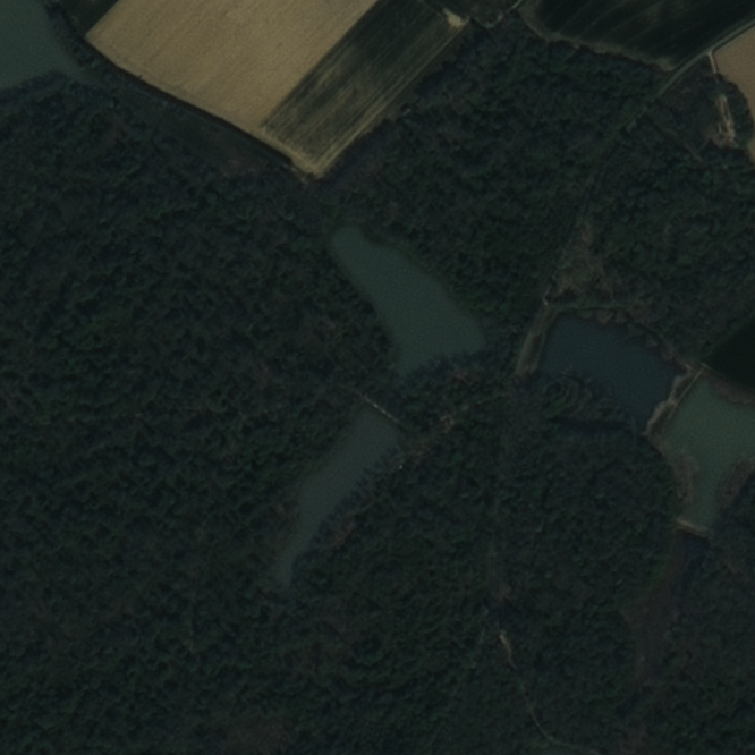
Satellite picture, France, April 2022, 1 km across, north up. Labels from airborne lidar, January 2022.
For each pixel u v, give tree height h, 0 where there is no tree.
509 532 18
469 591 9
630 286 26
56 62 0
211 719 31
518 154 32
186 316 10
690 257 26
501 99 28
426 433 23
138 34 0
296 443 18
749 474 0
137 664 23
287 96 0
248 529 20
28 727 16
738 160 17
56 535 27
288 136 0
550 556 24
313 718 21
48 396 29
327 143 0
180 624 27
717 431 0
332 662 34
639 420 0
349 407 26
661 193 23
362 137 0
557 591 27
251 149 0
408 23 0
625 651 22
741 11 0
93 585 22
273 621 7
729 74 0
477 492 27
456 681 23
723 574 27
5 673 29
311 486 0
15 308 28
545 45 11
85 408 29
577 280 29
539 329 22
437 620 12
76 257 28
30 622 23
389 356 26
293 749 21
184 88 0
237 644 27
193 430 31
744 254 22
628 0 0
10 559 26
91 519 20
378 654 28
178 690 19
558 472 27
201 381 27
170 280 27
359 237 0
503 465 26
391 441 0
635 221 26
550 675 25
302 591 21
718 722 11
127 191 15
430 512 26
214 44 0
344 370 33
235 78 0
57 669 27
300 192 27
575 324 0
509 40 27
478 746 21
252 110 0
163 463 27
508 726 24
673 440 0
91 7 0
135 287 25
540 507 26
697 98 0
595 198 23
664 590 0
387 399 20
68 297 21
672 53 0
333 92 0
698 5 0
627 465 28
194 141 0
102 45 0
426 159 28
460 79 32
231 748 25
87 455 23
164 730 28
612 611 13
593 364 0
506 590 20
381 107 0
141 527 22
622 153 15
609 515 30
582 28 0
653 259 29
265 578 11
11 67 0
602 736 24
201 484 25
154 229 29
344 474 0
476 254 18
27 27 0
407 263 0
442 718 16
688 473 0
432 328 0
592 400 0
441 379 31
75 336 28
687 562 0
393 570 10
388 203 30
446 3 0
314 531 0
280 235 32
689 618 21
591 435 24
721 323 25
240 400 30
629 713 24
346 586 6
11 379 22
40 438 21
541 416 29
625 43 0
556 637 26
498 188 24
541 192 23
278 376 28
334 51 0
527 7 0
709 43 0
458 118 30
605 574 23
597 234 0
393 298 0
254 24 0
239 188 22
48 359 31
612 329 0
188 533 25
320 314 33
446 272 22
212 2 0
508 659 23
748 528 24
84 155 29
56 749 26
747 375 0
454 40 0
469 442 19
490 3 0
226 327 30
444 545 30
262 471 20
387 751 22
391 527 21
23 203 23
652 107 21
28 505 26
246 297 7
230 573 25
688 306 29
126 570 26
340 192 29
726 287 28
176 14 0
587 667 28
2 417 14
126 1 0
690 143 0
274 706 19
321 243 21
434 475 28
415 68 0
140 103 0
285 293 13
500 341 7
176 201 31
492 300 21
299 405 26
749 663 34
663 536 22
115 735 28
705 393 0
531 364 0
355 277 0
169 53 0
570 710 25
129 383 20
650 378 0
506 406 16
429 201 23
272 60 0
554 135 32
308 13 0
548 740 22
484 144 33
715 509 0
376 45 0
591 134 30
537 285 14
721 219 29
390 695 29
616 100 20
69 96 22
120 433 22
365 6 0
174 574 26
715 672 16
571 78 25
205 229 31
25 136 24
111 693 27
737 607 24
